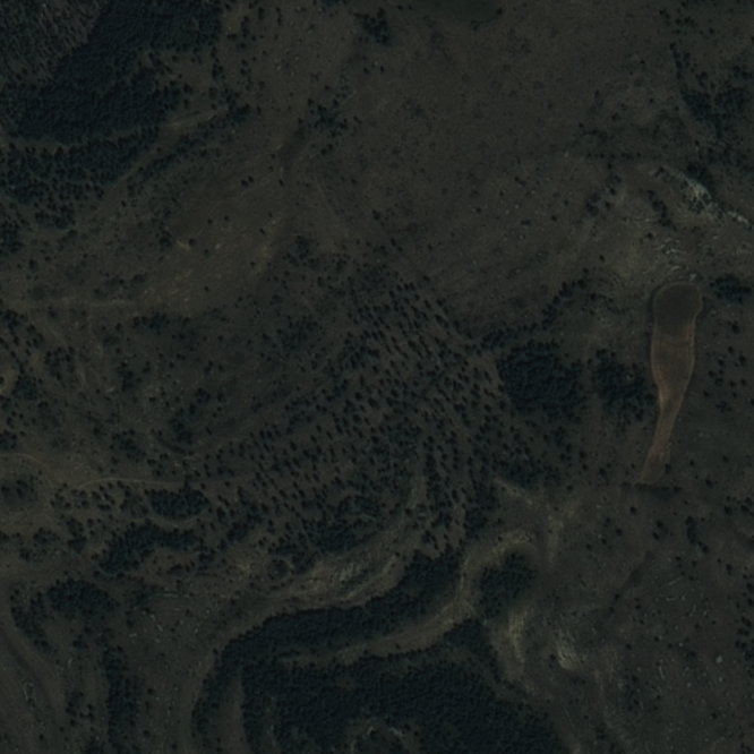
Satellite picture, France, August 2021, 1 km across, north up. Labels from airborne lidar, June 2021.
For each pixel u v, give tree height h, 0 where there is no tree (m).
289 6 0
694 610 0
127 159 14
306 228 0
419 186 0
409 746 0
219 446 0
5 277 0
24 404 0
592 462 0
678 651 0
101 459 0
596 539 0
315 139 0
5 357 0
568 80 0
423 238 0
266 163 0
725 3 0
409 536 0
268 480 14
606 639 0
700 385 0
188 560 0
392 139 0
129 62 13
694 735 0
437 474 10
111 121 14
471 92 0
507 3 0
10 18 16
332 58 0
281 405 0
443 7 0
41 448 0
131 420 0
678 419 0
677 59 8
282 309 0
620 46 0
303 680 7
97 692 0
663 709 0
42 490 0
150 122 10
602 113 0
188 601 0
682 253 0
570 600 0
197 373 0
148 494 8
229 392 0
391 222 0
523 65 0
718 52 0
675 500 0
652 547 0
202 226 0
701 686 0
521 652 0
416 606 9
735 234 0
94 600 11
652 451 0
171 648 0
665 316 0
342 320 0
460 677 6
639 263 0
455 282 0
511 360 10
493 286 0
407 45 0
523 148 0
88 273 0
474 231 0
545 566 0
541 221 0
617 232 0
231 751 0
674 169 0
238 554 0
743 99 6
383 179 0
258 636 11
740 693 0
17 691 0
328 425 0
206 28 12
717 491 0
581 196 0
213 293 0
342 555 0
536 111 0
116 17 15
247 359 0
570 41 0
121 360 0
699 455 0
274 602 0
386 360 0
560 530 0
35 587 0
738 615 0
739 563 0
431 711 8
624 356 0
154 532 11
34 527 0
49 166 8
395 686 7
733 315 0
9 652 0
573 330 0
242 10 0
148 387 0
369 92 0
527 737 7
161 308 0
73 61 13
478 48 0
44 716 0
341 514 11
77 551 6
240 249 0
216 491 0
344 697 9
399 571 0
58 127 12
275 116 0
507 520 0
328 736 7
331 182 0
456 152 0
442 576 9
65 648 0
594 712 0
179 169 0
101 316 0
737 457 0
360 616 11
